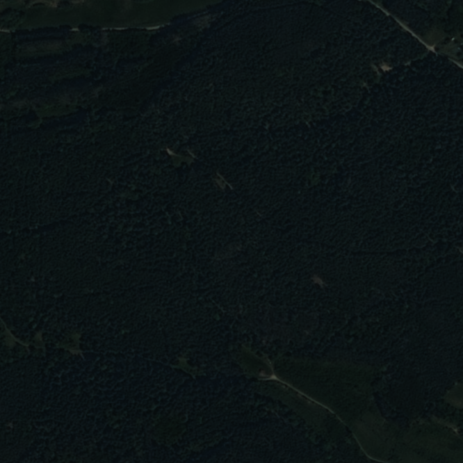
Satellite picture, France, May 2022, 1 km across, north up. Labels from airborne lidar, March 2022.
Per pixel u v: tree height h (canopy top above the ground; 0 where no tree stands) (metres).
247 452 24
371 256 23
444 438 0
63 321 29
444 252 24
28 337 16
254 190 27
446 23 17
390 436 0
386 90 30
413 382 21
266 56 23
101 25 0
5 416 19
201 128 26
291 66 27
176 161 0
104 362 28
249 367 0
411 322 22
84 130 26
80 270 22
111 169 29
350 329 15
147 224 36
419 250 25
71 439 28
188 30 30
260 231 25
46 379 23
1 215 25
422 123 25
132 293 23
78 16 0
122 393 28
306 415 0
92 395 10
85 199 29
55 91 31
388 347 20
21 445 12
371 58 33
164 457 34
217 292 24
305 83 29
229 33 25
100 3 0
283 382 0
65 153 22
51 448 24
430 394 24
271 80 28
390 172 23
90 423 29
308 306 30
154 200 22
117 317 28
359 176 22
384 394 16
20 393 18
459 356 16
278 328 12
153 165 35
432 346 22
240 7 28
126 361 22
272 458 27
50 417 28
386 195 25
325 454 31
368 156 27
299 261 22
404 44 26
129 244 27
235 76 25
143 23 0
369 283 25
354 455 18
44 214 26
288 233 23
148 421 26
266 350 20
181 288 26
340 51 33
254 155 29
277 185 30
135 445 17
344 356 25
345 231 25
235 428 23
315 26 21
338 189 29
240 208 26
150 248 28
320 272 23
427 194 15
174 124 26
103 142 21
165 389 35
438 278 22
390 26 28
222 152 26
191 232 21
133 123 18
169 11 0
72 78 0
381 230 25
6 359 15
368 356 30
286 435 29
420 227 28
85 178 29
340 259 21
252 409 23
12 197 23
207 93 24
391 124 29
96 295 23
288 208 28
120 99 11
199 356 35
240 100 33
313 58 30
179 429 13
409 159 14
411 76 11
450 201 17
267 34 22
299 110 33
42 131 20
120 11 0
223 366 30
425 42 0
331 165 33
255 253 20
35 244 20
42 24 0
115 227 30
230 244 24
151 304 26
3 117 11
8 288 17
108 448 27
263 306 30
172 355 29
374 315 33
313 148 30
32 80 29
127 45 15
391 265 23
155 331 25
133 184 34
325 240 23
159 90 25
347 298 26
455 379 17
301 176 25
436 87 26
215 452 23
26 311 24
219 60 23
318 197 26
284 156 25
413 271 22
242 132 32
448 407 8
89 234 26
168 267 28
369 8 23
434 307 28
